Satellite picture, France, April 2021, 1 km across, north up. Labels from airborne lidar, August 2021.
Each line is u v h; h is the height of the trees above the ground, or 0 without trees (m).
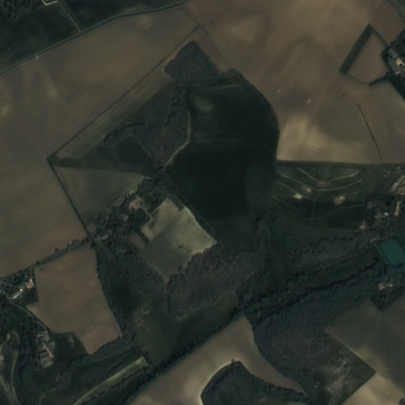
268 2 0
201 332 0
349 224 0
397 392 0
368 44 0
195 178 0
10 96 0
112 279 0
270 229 8
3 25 0
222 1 0
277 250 0
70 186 0
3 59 0
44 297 0
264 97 7
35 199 0
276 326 17
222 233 0
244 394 11
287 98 0
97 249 14
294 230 0
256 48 0
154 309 0
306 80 0
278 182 0
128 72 0
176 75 16
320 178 0
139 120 0
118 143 10
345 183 0
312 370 11
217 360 0
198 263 17
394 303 0
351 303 17
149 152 11
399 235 0
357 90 0
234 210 0
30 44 0
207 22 0
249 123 0
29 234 0
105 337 0
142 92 0
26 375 17
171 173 0
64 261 0
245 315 11
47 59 0
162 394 0
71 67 0
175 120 16
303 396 14
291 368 17
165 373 24
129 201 14
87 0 0
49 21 0
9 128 0
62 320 0
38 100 0
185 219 0
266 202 0
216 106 0
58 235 0
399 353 0
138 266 15
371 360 0
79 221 0
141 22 0
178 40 0
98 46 0
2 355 0
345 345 0
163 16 0
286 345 9
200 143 0
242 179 0
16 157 0
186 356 21
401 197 6
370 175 0
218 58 0
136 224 7
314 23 0
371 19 0
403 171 0
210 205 0
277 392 21
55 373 0
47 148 0
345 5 0
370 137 0
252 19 0
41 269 0
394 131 0
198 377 0
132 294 0
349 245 24
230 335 0
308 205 0
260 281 10
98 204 0
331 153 0
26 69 0
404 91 0
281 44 0
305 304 17
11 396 0
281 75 0
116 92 0
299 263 21
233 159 0
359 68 0
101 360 12
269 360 17
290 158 0
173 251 0
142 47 0
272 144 0
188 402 0
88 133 0
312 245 7
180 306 16
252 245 0
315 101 0
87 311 0
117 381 0
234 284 18
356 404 0
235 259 11
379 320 0
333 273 0
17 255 0
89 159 0
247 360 0
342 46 0
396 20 0
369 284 17
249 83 8
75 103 0
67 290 0
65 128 0
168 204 0
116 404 0
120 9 0
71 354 0
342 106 0
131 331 20
